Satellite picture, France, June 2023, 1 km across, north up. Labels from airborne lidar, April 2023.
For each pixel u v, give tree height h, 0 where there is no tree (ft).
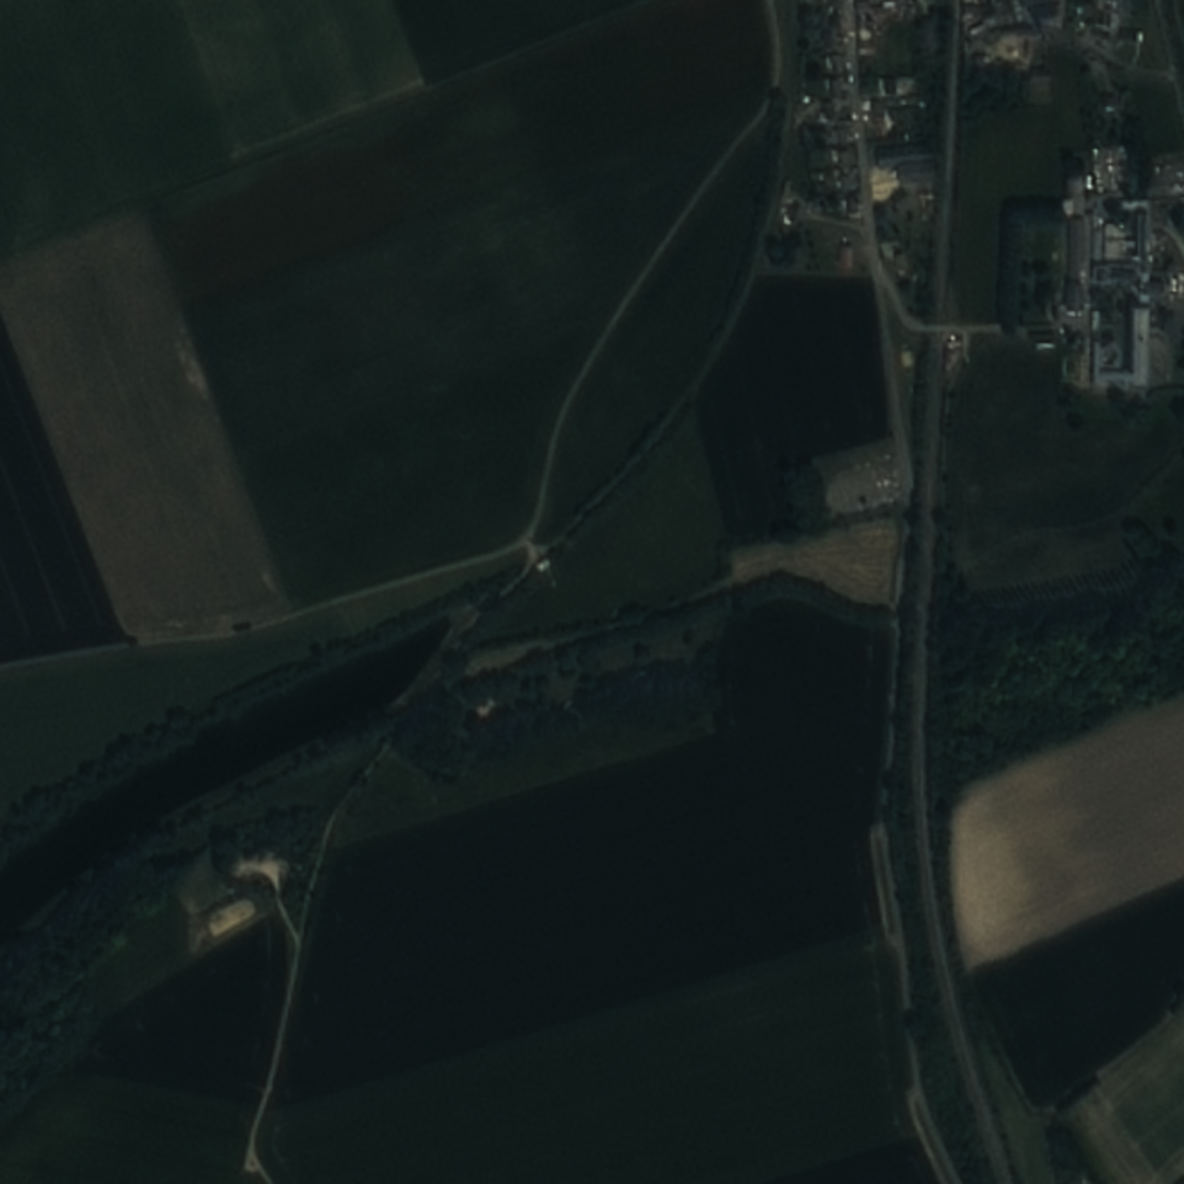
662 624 47
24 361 0
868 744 0
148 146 0
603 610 0
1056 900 0
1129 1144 0
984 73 36
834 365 0
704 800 0
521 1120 0
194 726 36
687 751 0
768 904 0
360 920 0
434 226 0
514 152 0
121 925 66
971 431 0
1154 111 0
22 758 0
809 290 0
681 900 0
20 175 0
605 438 0
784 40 0
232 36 0
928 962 34
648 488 0
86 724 0
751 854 0
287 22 0
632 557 0
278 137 0
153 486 0
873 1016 0
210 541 0
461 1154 0
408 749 48
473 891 0
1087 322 0
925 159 0
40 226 0
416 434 0
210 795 0
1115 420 0
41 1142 0
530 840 0
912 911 23
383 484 0
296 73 0
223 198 0
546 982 0
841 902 0
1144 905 0
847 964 0
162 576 0
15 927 0
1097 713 66
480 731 85
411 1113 0
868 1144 0
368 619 0
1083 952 0
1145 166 55
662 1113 0
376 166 0
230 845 54
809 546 0
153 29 0
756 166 0
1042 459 0
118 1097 0
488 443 0
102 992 0
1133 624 71
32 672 0
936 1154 0
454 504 0
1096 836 0
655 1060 0
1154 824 0
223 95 0
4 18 0
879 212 36
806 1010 0
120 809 0
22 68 0
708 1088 0
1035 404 0
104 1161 0
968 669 77
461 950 0
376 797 0
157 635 0
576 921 0
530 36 0
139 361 0
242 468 0
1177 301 0
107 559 0
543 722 93
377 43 0
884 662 0
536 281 0
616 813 0
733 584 0
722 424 0
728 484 0
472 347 0
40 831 28
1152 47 0
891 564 0
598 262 0
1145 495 0
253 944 0
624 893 0
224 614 0
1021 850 0
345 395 0
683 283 0
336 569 0
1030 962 0
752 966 0
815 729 0
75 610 0
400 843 0
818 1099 0
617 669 0
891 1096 0
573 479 0
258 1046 0
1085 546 0
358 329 0
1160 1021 0
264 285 0
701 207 0
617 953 0
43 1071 70
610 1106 0
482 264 0
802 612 0
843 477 0
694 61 0
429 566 0
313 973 0
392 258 0
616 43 0
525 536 0
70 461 0
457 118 0
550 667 38
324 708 0
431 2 0
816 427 0
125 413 0
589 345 0
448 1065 0
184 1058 0
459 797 0
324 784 0
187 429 0
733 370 0
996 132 0
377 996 0
